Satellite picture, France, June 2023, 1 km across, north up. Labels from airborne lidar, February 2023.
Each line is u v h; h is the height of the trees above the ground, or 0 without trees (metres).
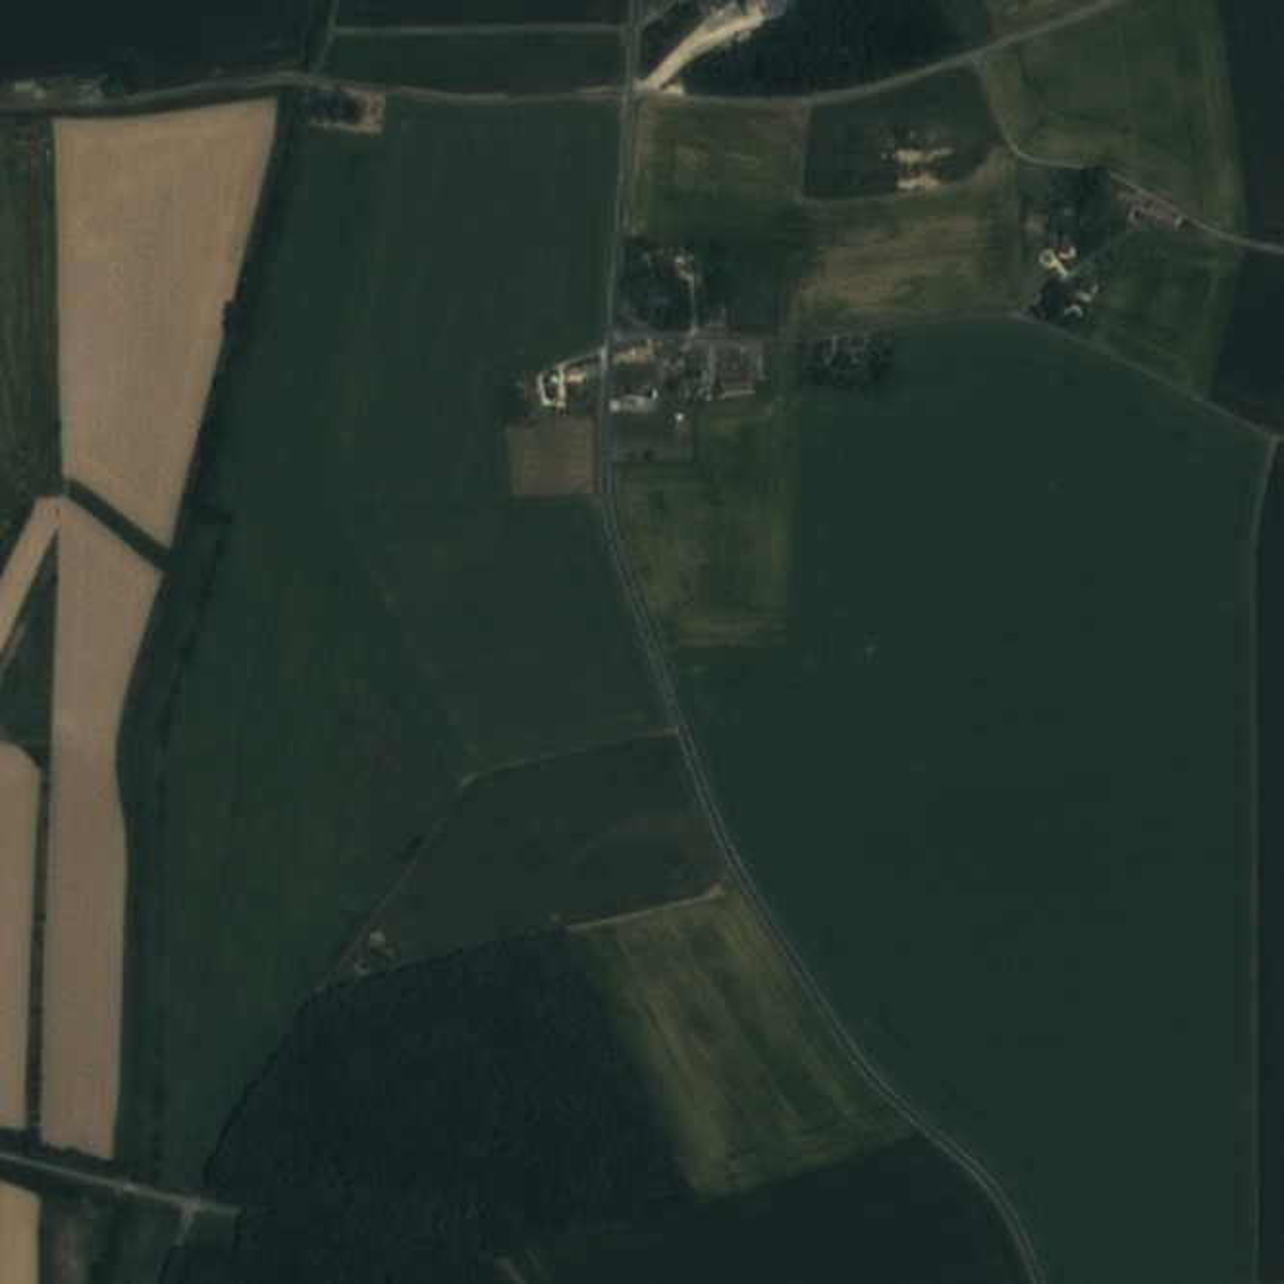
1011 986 0
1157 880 0
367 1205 19
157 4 0
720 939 0
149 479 0
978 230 0
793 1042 0
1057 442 0
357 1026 22
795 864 0
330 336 0
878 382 8
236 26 0
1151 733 0
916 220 0
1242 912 0
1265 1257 0
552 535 0
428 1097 23
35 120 0
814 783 0
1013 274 0
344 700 0
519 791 0
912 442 0
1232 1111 0
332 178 0
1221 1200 0
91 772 0
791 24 16
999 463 0
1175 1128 0
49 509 0
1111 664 0
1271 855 0
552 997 22
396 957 0
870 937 0
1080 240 7
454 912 0
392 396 0
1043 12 0
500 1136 24
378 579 0
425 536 0
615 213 0
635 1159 21
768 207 0
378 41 0
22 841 0
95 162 0
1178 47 0
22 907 0
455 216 0
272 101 0
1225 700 0
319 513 0
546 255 0
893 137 0
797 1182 0
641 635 0
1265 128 0
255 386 0
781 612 0
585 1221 16
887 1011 0
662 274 9
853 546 0
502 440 0
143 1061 0
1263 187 0
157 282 0
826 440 0
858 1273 0
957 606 0
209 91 0
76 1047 0
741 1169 0
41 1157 13
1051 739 0
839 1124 0
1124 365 0
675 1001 0
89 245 0
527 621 0
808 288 0
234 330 16
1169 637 0
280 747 0
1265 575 0
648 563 0
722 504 0
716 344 0
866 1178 0
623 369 0
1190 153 0
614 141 0
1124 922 0
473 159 0
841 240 0
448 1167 26
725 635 0
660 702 0
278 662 0
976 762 0
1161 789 0
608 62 0
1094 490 0
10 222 0
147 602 0
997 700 0
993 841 0
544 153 0
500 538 0
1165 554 0
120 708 0
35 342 0
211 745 0
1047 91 0
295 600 0
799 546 0
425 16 0
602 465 0
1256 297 0
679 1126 0
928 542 0
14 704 0
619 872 0
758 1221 0
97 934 0
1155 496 0
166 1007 0
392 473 0
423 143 0
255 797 0
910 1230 0
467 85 0
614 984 0
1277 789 0
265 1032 0
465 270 0
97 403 0
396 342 0
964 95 0
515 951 15
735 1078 0
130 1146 0
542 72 0
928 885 0
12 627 0
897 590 0
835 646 0
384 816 0
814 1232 0
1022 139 0
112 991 0
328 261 0
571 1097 23
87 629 0
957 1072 0
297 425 0
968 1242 0
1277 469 0
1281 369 0
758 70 7
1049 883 0
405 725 0
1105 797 0
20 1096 0
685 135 0
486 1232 20
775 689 0
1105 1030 0
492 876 0
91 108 0
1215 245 0
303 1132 22
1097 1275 0
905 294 0
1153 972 0
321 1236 24
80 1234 0
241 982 0
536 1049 24
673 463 0
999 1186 0
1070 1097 0
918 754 0
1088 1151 0
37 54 0
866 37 6
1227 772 0
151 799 0
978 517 0
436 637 0
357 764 0
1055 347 0
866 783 0
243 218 0
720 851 0
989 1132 0
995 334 0
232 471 0
